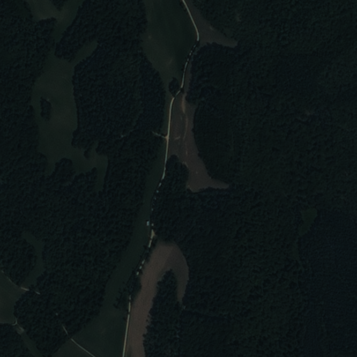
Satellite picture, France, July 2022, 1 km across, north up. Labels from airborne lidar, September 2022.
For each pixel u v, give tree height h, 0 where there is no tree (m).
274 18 14
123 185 11
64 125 0
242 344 19
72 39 18
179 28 0
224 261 21
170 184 19
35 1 0
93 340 0
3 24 13
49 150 0
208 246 25
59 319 18
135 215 21
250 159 15
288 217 18
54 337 7
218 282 22
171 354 11
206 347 27
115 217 15
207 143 8
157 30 0
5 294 0
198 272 23
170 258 0
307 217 0
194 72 20
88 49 0
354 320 18
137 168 9
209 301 23
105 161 0
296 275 23
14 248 11
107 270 12
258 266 22
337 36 9
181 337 18
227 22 12
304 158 24
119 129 23
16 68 17
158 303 20
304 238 19
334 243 21
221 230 28
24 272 13
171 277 21
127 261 0
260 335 7
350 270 20
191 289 23
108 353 0
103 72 18
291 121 22
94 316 20
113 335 0
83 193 20
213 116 8
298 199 25
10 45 17
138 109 16
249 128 21
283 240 20
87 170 0
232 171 6
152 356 13
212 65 25
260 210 25
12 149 26
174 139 0
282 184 18
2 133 21
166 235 18
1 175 15
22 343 20
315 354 19
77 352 0
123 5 16
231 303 19
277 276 26
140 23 22
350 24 10
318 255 19
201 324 26
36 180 21
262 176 19
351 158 16
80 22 11
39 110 0
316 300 20
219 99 8
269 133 23
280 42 10
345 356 18
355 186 16
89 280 9
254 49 18
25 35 17
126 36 16
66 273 8
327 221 21
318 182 21
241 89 19
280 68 18
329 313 17
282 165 22
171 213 14
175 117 0
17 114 27
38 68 18
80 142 15
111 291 0
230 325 22
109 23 18
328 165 19
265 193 23
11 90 21
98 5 16
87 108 12
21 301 13
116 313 0
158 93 21
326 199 19
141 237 0
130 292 19
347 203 18
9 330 21
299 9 12
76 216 20
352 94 18
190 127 0
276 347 21
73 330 11
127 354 0
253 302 17
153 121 21
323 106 29
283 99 22
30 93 21
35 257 15
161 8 0
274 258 24
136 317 0
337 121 15
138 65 22
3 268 9
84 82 18
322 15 15
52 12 0
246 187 16
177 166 24
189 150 0
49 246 18
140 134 17
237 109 13
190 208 27
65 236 19
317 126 27
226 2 14
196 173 0
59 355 0
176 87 19
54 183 22
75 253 23
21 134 25
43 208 17
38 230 19
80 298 14
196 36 0
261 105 23
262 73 15
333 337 15
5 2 24
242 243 11
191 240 30
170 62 0
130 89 19
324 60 15
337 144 19
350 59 15
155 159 22
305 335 20
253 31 10
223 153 6
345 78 18
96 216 15
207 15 12
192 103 17
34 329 17
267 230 21
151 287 0
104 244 20
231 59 18
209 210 32
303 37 20
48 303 21
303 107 21
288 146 22
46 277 13
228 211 26
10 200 18
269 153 21
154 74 16
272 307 23
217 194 11
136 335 0
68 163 18
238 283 20
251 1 19
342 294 18
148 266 0
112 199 10
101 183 0
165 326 21
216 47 21
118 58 14
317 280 18
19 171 22
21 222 22
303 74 15
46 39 19
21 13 21
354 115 18
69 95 0
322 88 15
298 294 28
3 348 18
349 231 21
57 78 0
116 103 20
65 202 22
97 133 22
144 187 6
